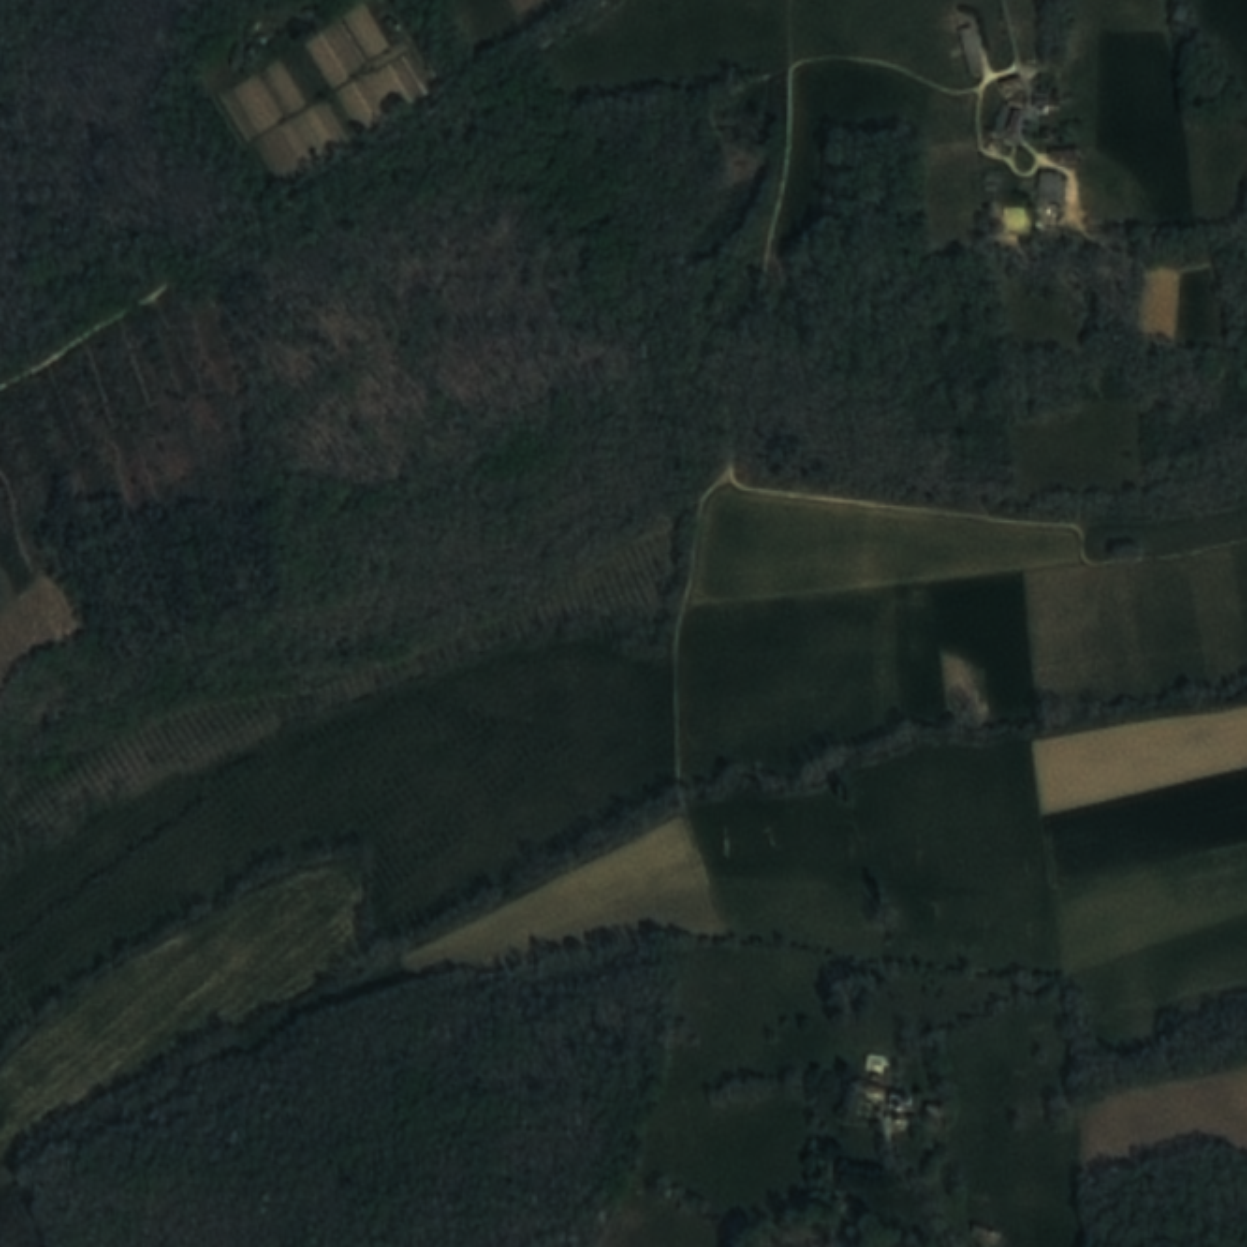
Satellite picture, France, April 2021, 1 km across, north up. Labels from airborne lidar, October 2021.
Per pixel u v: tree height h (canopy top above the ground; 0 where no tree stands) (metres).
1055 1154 0
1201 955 0
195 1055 22
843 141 25
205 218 15
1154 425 8
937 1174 13
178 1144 17
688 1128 0
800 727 0
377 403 18
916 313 23
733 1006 0
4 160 20
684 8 0
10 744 15
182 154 19
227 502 12
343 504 16
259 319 19
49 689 17
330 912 0
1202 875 0
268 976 0
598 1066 17
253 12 23
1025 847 0
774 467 10
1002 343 19
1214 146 0
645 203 24
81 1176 17
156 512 12
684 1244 0
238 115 0
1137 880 0
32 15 16
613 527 15
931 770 0
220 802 10
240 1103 17
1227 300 20
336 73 0
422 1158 13
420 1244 16
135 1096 13
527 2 0
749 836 0
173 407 11
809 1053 0
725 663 0
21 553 15
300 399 19
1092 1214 22
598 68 0
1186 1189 27
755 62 0
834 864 0
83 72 17
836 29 0
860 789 0
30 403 6
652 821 22
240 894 18
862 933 0
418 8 17
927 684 0
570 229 14
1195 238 16
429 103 9
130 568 16
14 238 24
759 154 27
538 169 23
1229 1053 23
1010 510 14
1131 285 21
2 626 0
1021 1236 0
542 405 14
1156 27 0
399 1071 15
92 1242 22
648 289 23
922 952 0
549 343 21
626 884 0
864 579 0
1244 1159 19
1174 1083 11
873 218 26
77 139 15
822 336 25
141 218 18
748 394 20
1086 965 0
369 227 18
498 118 22
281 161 0
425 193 21
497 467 17
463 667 15
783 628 0
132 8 15
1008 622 0
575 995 14
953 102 0
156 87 17
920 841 0
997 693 0
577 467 13
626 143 23
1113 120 0
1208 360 21
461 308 14
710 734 0
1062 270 22
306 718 19
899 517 0
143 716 22
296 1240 15
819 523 0
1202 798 0
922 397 11
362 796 11
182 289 17
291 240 22
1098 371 20
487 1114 15
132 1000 0
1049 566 0
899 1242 24
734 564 0
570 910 0
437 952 0
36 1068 0
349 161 16
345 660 16
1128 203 0
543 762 9
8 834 22
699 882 0
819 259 29
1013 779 0
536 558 16
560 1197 15
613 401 20
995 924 0
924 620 0
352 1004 18
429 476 19
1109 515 10
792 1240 28
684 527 24
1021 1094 0
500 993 15
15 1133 0
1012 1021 0
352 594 18
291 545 21
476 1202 15
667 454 16
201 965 0
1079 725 8
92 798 17
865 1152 0
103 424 6
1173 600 0
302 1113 14
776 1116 0
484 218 9
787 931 0
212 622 21
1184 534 0
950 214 0
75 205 23
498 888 6
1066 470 0
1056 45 19
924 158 17
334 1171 17
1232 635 0
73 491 16
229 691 21
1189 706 14
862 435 20
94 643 17
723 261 20
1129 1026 0
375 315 15
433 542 19
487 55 14
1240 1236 23
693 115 22
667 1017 16
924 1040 7
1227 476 18
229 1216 15
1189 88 19
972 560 0
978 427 9
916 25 0
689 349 28
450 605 15
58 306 19
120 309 17
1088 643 0
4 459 6
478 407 14
